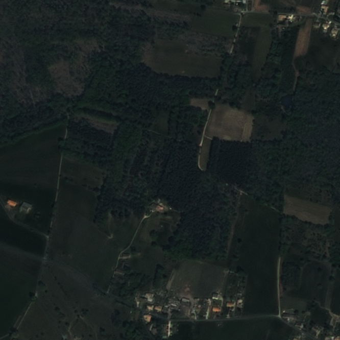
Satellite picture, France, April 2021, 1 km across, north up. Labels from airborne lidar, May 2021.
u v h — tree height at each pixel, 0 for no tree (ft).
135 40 66
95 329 0
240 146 40
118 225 0
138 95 62
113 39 43
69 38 66
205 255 52
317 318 0
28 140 0
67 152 53
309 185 29
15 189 0
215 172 59
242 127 0
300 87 51
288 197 0
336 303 0
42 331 0
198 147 57
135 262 0
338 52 0
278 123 0
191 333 0
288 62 0
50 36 62
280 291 0
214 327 0
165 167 28
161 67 0
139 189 29
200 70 0
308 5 0
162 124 0
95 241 0
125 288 27
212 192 61
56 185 0
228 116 0
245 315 0
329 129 40
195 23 0
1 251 0
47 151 0
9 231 0
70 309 0
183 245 87
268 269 0
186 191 66
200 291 0
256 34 0
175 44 0
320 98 55
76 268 0
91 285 0
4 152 0
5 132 33
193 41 19
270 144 49
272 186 50
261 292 0
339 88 53
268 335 0
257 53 0
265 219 0
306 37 0
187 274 0
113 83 37
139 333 52
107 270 0
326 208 0
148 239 0
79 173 0
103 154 53
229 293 21
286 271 58
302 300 0
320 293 0
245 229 0
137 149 44
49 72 53
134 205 47
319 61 0
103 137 47
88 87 63
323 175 53
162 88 65
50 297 0
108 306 0
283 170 40
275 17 33
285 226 55
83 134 32
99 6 61
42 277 0
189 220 63
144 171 22
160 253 0
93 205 0
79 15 54
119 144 69
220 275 0
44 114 73
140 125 38
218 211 30
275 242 0
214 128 0
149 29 27
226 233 106
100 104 65
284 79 0
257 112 27
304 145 65
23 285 0
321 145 45
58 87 0
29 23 67
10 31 61
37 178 0
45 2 36
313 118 43
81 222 0
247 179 38
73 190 0
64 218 0
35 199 0
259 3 0
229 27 0
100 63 63
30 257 0
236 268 0
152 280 33
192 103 0
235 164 45
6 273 0
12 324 0
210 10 0
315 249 24
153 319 27
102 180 0
